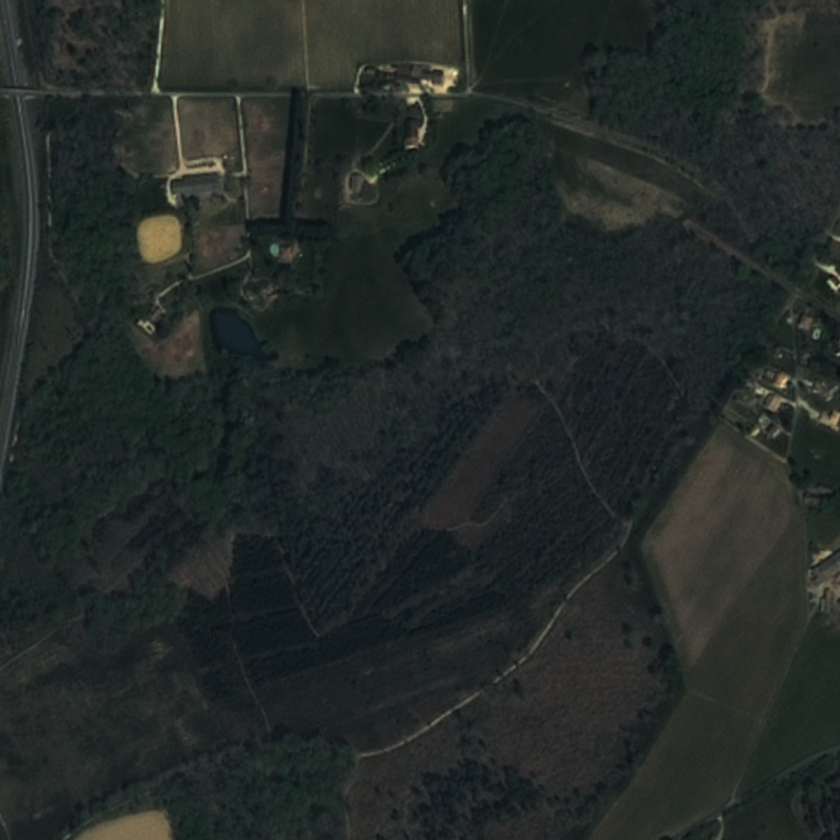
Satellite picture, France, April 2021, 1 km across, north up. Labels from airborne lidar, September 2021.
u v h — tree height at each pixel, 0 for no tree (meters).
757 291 15
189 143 0
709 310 15
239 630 9
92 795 0
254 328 0
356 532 20
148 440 12
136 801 16
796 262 8
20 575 16
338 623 16
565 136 0
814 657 0
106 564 14
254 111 0
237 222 0
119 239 31
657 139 19
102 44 21
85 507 23
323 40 0
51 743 0
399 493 21
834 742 0
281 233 19
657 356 16
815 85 0
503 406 20
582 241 26
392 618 11
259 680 8
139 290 17
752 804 12
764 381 6
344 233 0
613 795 13
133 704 0
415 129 0
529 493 7
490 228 26
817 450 0
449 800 16
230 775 20
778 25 0
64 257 27
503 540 6
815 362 10
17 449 7
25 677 0
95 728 0
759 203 18
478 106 0
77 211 29
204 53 0
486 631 7
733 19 26
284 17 0
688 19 25
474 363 23
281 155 0
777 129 15
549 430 9
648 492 9
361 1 0
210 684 10
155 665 0
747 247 19
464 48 0
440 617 10
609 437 10
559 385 13
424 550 8
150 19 18
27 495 14
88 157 24
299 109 17
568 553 8
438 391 18
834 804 10
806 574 0
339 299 0
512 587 9
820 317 6
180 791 20
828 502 12
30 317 6
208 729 0
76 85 18
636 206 0
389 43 0
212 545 21
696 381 17
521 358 16
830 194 21
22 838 0
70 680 0
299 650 7
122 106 22
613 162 0
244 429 21
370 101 8
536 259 25
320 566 18
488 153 21
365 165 12
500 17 0
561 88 0
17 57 0
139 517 9
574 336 10
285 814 29
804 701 0
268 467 24
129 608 19
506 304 21
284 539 20
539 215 22
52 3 22
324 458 17
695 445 23
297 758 26
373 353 0
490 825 20
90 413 9
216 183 0
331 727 7
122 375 21
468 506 0
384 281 0
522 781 14
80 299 19
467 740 11
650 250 22
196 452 27
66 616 10
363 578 18
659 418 7
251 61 0
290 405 18
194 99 0
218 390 15
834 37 0
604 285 21
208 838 20
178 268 0
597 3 0
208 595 23
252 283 9
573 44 0
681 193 0
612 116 17
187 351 0
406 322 0
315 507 20
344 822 22
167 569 17
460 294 20
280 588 11
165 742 0
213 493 25
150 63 21
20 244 0
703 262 14
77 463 11
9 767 0
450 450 18
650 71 23
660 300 12
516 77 0
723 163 17
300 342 0
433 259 18
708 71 28
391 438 17
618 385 7
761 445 0
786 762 0
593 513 8
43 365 0
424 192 0
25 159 0
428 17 0
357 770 18
